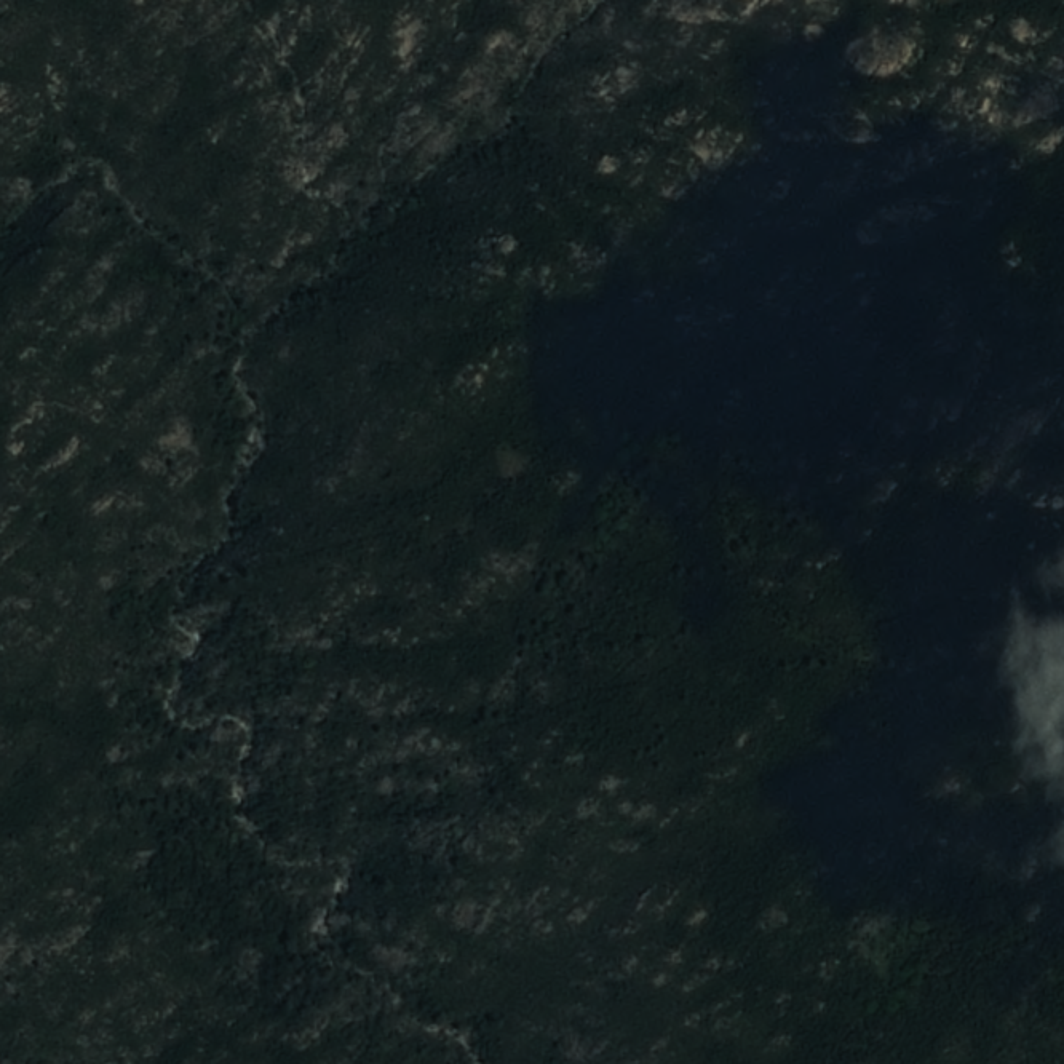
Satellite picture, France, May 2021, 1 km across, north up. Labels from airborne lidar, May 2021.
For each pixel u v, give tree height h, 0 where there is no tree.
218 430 14
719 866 9
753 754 8
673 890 7
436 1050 6
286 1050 6
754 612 6
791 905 8
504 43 0
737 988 7
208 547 8
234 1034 6
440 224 6
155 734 8
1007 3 7
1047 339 7
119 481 7
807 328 7
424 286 9
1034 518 7
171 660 17
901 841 6
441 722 10
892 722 12
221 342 13
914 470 9
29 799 8
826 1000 8
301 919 11
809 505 20
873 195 6
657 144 6
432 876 6
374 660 7
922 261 7
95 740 8
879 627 11
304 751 9
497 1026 34
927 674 8
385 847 9
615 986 12
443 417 6
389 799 9
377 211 25
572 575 14
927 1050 6
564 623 6
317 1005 8
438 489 9
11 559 8
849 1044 9
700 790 5
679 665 6
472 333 5
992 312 9
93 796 7
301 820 13
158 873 17
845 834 6
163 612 12
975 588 8
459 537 11
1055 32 6
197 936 7
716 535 6
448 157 8
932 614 8
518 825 12
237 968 7
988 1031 8
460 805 10
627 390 8
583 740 7
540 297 7
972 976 9
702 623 10
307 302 13
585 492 10
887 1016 11
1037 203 10
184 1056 6
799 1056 7
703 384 8
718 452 8
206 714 8
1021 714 7
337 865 7
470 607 8
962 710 7
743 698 8
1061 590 10
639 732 8
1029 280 7
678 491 10
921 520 8
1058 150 8
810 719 7
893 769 6
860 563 8
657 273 6
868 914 7
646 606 9
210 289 11
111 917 7
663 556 8
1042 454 6
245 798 10
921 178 7
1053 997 12
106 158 8
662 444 14
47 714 9
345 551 6
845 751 8
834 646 7
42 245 6
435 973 12
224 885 6
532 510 7
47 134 9
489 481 7
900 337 10
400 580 9
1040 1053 6
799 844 9
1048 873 8
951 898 9
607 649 7
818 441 8
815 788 6
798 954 8
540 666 8
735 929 9
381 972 16
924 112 9
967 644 6
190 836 16
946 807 8
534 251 7
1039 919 7
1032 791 8
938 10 12
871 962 8
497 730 6
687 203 8
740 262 7
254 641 13
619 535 11
